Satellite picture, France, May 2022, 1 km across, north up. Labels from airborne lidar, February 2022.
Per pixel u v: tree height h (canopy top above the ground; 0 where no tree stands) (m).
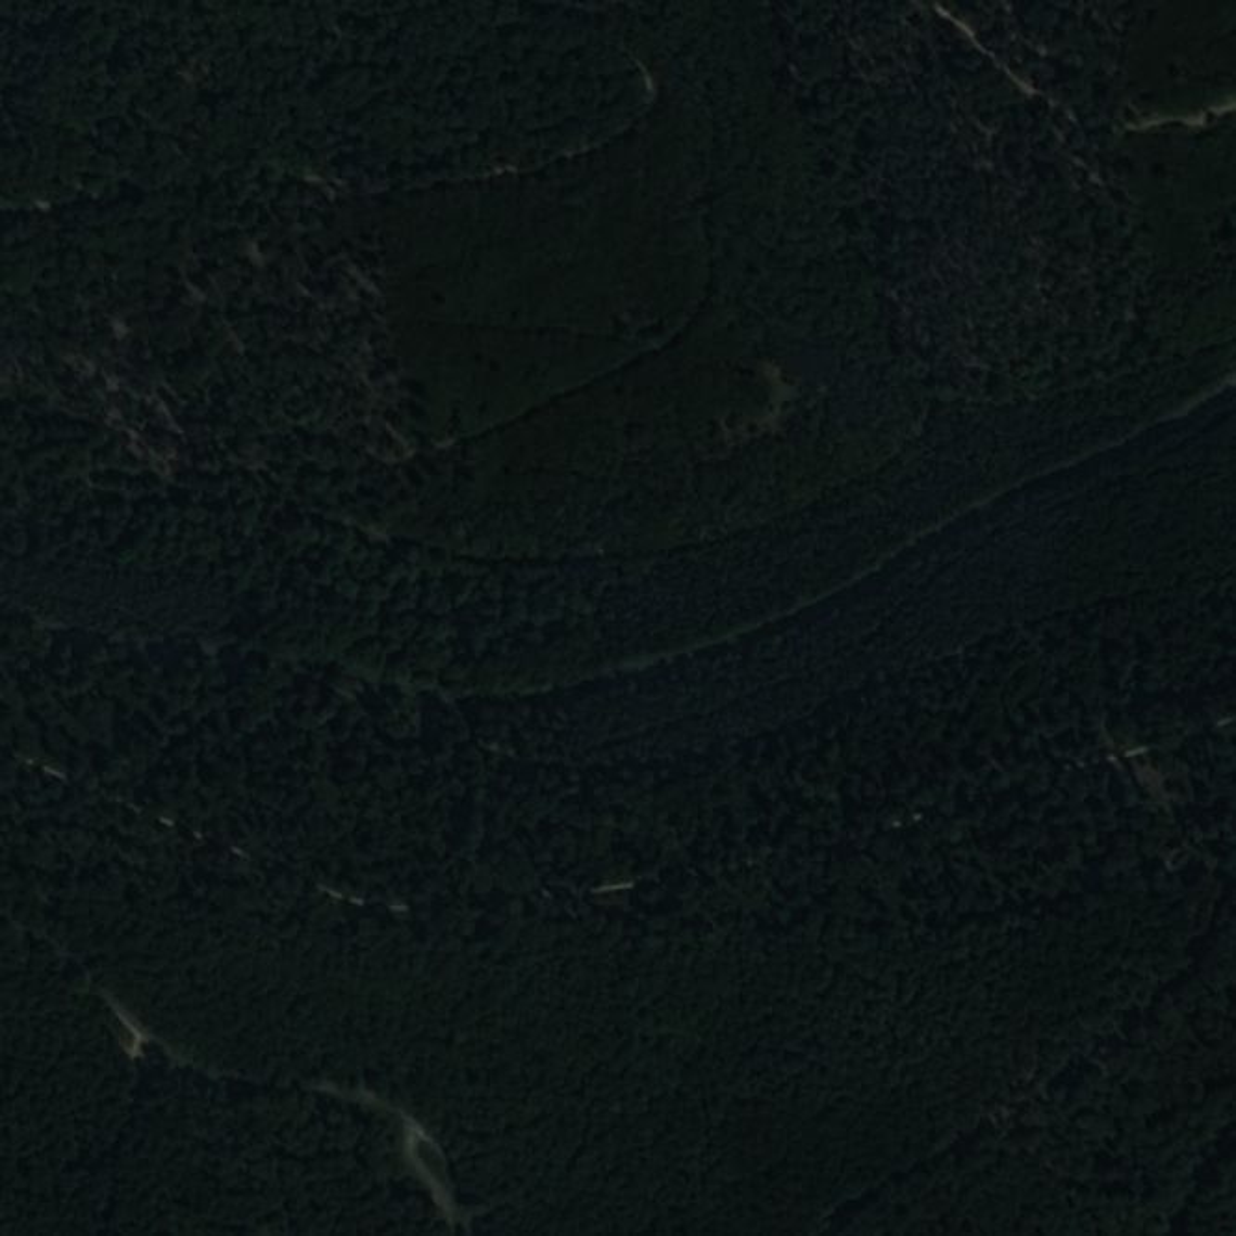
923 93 37
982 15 29
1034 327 26
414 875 13
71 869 27
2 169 31
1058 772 32
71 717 33
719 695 19
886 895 0
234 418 24
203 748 34
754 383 11
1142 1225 33
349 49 14
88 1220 28
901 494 17
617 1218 25
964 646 14
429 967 27
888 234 35
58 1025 30
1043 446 19
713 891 33
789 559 22
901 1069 25
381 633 38
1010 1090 29
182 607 19
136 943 27
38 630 33
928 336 32
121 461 21
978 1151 32
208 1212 32
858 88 29
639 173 12
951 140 25
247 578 34
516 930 30
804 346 24
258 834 30
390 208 22
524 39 27
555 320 10
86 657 36
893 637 21
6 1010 27
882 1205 31
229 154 34
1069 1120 34
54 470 36
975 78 33
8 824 27
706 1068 30
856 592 0
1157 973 33
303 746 36
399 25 35
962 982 29
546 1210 24
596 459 13
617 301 9
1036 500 19
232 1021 28
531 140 25
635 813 35
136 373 33
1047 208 30
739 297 11
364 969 29
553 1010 30
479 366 11
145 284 35
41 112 35
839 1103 29
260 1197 35
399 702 26
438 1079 26
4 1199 25
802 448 18
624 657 19
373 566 23
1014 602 18
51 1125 26
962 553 16
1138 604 15
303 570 28
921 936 25
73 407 11
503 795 35
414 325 14
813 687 18
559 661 35
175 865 30
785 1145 28
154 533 35
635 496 14
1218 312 23
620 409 13
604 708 20
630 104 30
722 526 30
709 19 25
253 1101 31
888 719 39
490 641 33
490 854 38
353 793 33
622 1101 28
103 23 30
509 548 23
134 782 10
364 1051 25
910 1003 27
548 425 11
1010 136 32
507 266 17
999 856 34
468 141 12
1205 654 16
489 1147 28
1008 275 28
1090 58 33
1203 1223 35
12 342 26
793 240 22
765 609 19
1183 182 11
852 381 21
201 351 27
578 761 18
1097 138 32
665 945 29
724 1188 29
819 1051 29
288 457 26
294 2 33
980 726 14
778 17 18
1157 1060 37
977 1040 29
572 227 18
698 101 20
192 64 33
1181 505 18
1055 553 18
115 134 37
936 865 9
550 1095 25
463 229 16
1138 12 10
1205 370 16
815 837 26
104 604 15
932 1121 28
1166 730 37
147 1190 27
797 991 29
